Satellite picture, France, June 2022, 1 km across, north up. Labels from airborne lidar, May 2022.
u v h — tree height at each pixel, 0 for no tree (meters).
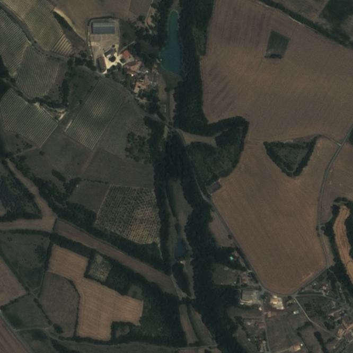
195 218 19
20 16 0
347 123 0
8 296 0
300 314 0
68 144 0
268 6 9
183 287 36
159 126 16
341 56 0
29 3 0
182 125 16
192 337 0
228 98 0
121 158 0
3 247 0
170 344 15
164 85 0
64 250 0
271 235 0
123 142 0
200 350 0
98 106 0
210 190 0
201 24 11
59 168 0
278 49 0
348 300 6
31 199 18
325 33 7
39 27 0
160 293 18
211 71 0
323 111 0
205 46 6
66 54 0
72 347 0
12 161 9
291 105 0
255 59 0
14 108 0
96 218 10
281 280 0
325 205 0
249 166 0
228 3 0
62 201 8
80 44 0
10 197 9
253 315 0
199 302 24
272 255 0
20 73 0
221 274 0
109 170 0
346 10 0
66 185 8
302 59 0
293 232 0
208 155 7
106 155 0
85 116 0
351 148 0
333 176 0
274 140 0
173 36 0
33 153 0
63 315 0
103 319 0
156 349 0
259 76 0
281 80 0
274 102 0
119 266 16
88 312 0
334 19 0
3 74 15
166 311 19
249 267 9
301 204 0
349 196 0
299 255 0
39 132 0
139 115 0
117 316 0
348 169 0
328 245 0
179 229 26
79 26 0
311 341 0
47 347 0
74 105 0
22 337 0
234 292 14
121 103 0
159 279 0
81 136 0
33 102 6
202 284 18
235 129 13
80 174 0
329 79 0
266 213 0
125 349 0
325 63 0
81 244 8
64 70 0
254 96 0
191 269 0
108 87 0
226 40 0
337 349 0
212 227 0
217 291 7
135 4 0
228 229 0
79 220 10
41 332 0
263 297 9
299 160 0
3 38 0
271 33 0
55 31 0
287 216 0
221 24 0
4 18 0
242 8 0
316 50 0
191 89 11
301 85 0
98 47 0
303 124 0
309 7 0
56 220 8
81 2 0
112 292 0
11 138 0
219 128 17
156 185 12
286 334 0
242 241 0
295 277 0
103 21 0
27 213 8
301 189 0
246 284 10
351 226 11
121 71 13
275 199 0
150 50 0
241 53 0
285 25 0
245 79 0
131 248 11
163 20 14
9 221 12
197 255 8
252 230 0
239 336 0
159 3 8
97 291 0
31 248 0
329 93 0
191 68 10
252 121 0
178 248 0
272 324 0
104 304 0
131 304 0
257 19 0
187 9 17
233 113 0
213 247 7
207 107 0
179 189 0
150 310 7
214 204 0
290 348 0
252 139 0
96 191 0
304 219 0
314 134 0
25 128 0
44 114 0
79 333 0
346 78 0
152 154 15
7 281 0
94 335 0
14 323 0
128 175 0
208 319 20
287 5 0
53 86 0
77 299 0
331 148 0
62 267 0
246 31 0
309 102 0
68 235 0
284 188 0
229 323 12
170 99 0
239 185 0
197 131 14
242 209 0
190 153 9
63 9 0
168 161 13
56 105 9
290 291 0
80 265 0
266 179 0
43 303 0
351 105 0
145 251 10
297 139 0
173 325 16
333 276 13
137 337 12
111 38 0
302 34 0
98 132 0
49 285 0
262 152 0
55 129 0
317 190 0
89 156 0
